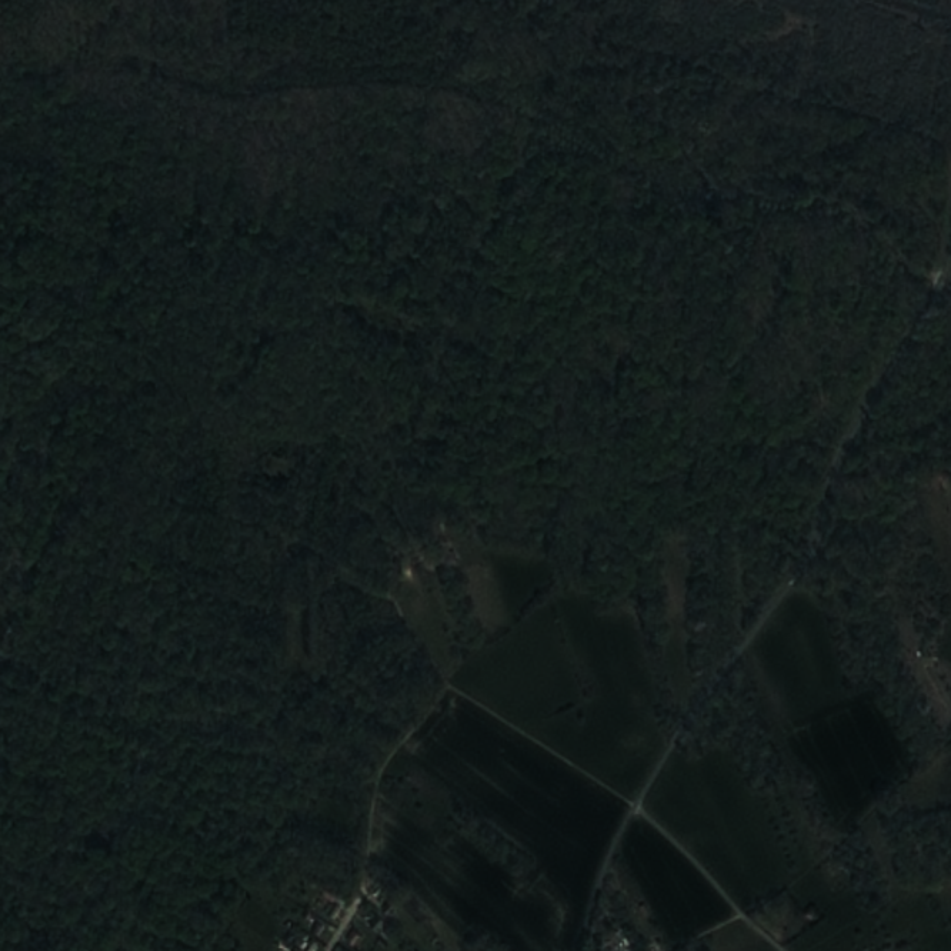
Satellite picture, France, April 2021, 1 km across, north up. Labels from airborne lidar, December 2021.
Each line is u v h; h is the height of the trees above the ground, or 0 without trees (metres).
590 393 30
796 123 14
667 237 23
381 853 0
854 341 26
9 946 38
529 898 0
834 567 0
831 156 14
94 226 28
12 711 37
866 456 16
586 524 28
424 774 0
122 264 28
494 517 23
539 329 23
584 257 18
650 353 30
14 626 23
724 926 0
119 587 22
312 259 25
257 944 0
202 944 21
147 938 28
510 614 0
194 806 29
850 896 0
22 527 34
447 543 18
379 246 22
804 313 26
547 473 21
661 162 19
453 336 20
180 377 25
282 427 20
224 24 8
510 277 23
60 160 24
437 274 25
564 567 37
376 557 24
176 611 28
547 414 24
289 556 11
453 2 9
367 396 22
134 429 24
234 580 24
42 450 14
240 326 22
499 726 0
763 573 24
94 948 28
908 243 19
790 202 16
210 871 22
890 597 17
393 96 22
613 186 22
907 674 19
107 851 24
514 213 25
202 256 22
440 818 0
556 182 20
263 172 27
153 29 9
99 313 29
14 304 24
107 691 31
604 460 28
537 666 0
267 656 25
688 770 0
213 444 15
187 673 11
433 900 0
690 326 26
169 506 25
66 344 29
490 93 15
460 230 29
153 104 31
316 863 35
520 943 0
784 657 0
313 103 25
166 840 28
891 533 7
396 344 19
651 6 7
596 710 0
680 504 26
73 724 27
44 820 30
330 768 17
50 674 15
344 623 24
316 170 28
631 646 0
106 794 25
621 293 23
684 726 25
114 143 30
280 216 27
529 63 27
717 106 26
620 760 0
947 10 0
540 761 0
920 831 18
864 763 0
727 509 25
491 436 23
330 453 18
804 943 0
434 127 26
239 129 21
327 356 24
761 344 22
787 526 17
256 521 20
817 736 0
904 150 22
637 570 15
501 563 0
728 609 21
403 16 14
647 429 26
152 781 28
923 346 28
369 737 28
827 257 25
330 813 0
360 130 26
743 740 20
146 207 27
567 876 0
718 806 0
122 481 27
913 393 24
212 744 20
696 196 17
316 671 31
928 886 14
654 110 25
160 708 28
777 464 26
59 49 20
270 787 28
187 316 30
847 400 25
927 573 7
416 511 22
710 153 8
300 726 31
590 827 0
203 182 25
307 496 14
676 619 0
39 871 27
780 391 23
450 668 0
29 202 27
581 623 0
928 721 19
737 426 27
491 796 0
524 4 25
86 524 33
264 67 19
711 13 7
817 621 0
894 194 20
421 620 0
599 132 14
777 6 6
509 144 22
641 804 0
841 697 0
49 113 27
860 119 18
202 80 16
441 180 27
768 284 22
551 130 23
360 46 19
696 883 0
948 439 21
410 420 7
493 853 25
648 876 0
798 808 0
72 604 21
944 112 11
